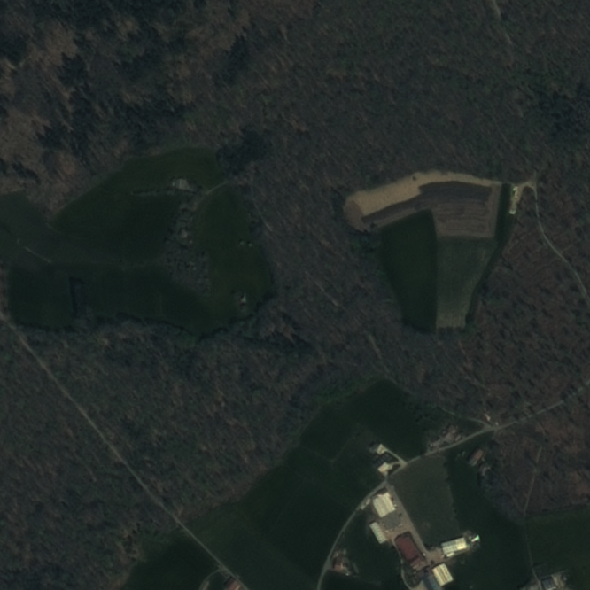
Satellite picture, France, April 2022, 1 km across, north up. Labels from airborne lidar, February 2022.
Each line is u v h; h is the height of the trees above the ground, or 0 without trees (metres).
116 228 0
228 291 0
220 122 29
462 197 0
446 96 29
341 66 31
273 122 27
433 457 0
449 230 0
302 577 0
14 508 32
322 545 0
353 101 30
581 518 0
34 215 0
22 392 26
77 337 27
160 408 26
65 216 0
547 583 0
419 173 16
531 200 0
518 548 0
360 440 0
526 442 0
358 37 27
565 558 0
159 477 30
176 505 32
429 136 29
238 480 31
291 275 31
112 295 0
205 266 9
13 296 0
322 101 26
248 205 23
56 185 27
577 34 26
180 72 22
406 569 10
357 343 31
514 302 29
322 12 28
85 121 29
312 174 30
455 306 0
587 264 27
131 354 27
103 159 27
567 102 22
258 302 0
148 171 0
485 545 0
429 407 17
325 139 33
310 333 33
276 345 23
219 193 0
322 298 31
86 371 27
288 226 30
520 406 27
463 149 30
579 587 0
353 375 28
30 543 22
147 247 0
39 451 28
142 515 29
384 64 24
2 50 29
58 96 27
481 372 30
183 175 0
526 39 25
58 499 31
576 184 28
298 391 30
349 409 0
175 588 0
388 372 23
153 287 0
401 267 0
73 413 27
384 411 0
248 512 0
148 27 29
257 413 31
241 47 21
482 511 0
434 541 0
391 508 0
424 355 31
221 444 32
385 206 0
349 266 31
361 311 31
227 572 0
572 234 30
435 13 25
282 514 0
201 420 26
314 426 0
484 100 26
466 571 0
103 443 24
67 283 0
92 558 30
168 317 0
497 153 29
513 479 0
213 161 0
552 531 0
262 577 0
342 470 0
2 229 0
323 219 33
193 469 29
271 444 31
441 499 0
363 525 0
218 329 0
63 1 21
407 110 28
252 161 31
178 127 27
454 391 29
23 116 24
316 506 0
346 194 27
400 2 27
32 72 25
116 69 27
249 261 0
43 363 28
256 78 31
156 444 27
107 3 21
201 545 0
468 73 23
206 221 0
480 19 29
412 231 0
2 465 27
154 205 0
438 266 0
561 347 25
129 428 27
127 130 24
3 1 25
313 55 28
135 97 25
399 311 25
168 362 29
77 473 30
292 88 28
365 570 0
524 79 19
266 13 16
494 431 0
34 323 0
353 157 29
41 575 23
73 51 0
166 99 23
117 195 0
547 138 27
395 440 0
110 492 30
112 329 30
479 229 0
